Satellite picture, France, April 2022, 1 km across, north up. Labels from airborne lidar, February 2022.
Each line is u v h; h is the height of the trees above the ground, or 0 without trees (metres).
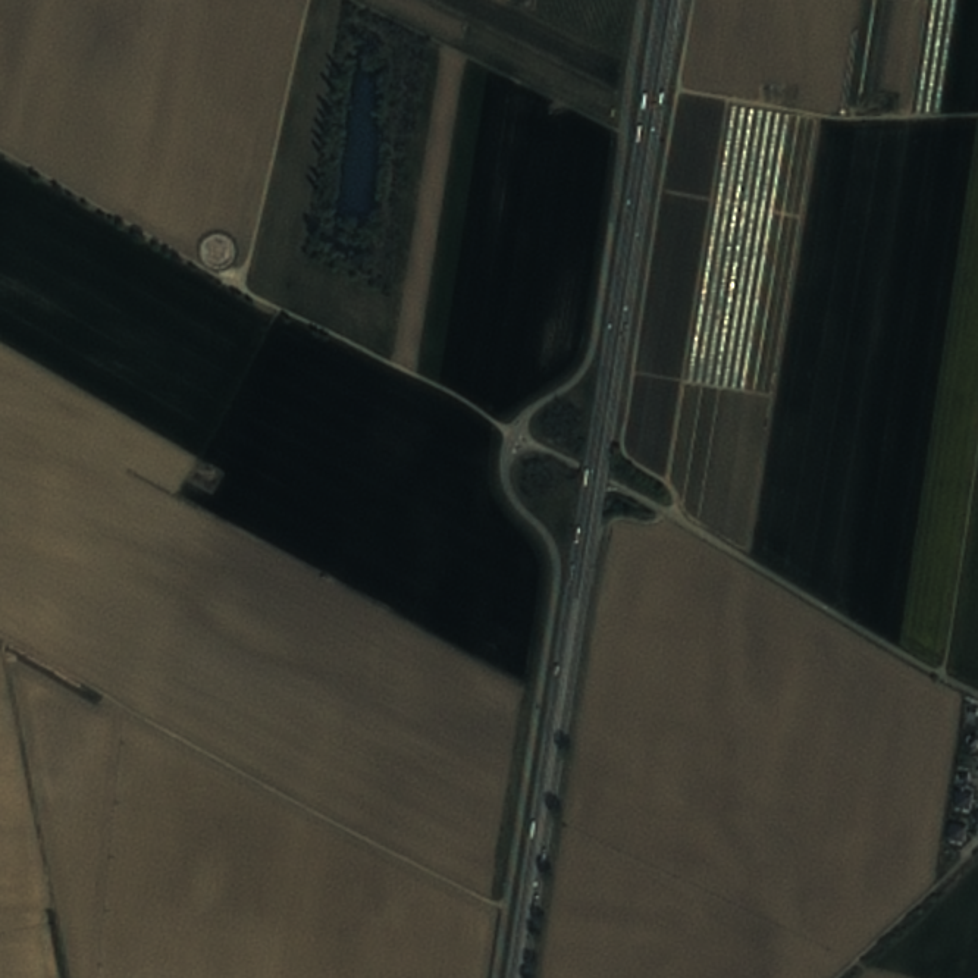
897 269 0
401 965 0
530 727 0
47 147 0
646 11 0
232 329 0
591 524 0
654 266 0
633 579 0
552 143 0
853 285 0
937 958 0
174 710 0
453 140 0
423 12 0
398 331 0
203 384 0
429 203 0
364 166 0
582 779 0
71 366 0
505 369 0
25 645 0
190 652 0
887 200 0
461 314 0
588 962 0
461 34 0
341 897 0
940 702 0
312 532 0
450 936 0
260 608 0
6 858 0
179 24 0
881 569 0
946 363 0
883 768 0
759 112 0
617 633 0
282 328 0
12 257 0
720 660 0
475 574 0
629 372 0
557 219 0
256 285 0
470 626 0
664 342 0
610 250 0
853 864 0
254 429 0
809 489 0
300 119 0
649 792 0
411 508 0
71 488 0
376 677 0
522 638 0
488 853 0
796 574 0
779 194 0
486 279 0
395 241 13
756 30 0
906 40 0
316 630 0
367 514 0
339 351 0
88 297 0
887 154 0
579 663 0
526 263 0
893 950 0
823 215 0
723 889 0
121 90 0
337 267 8
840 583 0
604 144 0
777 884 0
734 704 0
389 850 0
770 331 0
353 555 0
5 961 0
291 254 0
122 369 0
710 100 0
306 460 0
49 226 0
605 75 0
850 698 0
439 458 0
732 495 0
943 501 0
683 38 0
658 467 0
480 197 0
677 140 0
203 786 0
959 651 0
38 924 0
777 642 0
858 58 0
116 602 0
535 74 0
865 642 0
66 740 0
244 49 0
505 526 0
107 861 0
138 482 0
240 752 0
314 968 0
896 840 0
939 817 0
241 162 0
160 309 0
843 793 0
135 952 0
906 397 0
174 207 0
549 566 0
